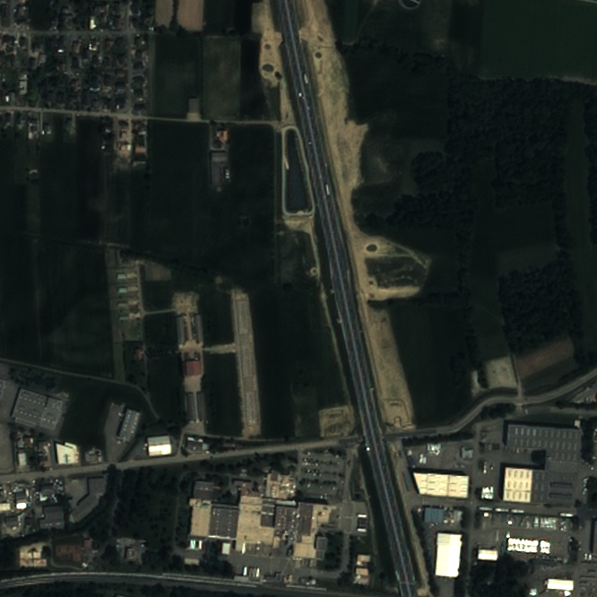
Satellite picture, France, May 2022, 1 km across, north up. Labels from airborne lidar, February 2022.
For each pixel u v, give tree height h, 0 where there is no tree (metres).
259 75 0
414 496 0
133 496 12
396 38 0
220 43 0
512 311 23
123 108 0
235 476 0
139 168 0
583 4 0
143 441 0
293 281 0
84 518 11
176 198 0
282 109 0
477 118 22
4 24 0
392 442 0
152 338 0
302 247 0
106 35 0
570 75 0
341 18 0
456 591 9
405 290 0
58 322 0
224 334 0
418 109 0
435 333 0
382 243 0
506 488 0
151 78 0
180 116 0
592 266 0
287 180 0
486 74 0
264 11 0
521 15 0
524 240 0
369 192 0
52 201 0
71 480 0
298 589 0
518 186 17
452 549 0
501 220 0
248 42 0
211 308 0
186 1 0
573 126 0
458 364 13
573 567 0
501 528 0
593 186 20
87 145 0
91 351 0
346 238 0
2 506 0
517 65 0
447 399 0
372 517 0
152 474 16
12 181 0
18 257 0
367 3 0
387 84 0
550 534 0
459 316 0
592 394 0
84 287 0
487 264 0
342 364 0
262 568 0
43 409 0
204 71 0
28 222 0
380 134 0
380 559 0
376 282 0
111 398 0
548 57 0
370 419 0
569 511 0
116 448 0
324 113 0
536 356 0
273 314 0
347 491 0
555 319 22
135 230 0
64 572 0
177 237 0
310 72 0
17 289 0
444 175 22
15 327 0
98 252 0
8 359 0
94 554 0
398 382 0
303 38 0
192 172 0
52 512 0
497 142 27
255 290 0
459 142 23
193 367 0
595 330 0
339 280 0
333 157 0
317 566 0
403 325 0
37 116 0
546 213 0
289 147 0
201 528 0
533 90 19
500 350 0
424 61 14
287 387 0
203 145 0
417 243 0
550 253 0
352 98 0
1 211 0
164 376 0
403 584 0
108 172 0
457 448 0
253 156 0
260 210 0
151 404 0
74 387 0
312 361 0
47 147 0
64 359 0
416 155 0
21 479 0
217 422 0
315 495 0
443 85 0
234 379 0
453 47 0
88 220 0
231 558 0
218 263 0
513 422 0
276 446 0
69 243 0
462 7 0
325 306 0
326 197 0
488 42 0
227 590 0
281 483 0
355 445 0
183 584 0
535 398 0
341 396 0
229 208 0
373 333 0
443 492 0
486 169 0
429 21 0
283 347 0
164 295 0
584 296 0
